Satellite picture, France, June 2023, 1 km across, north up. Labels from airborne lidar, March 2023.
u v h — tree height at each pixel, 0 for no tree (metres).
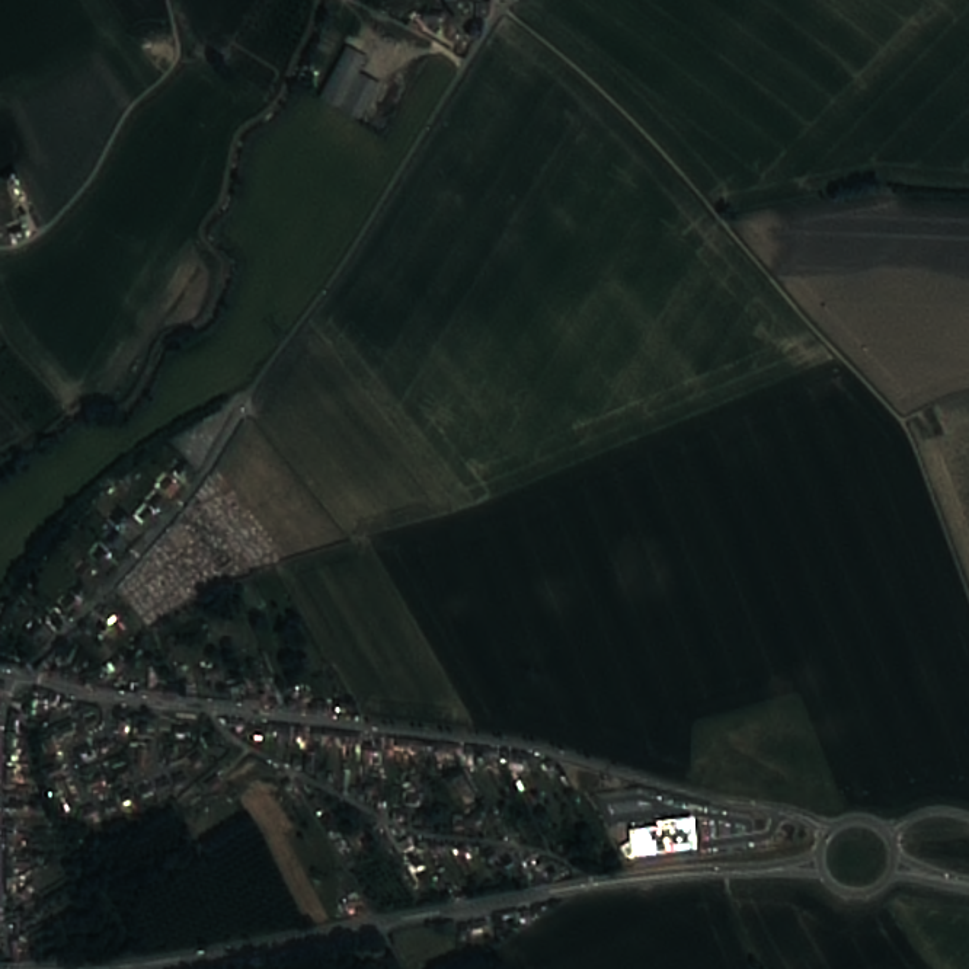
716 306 0
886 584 0
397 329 0
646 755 0
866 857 0
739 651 0
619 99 0
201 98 0
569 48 0
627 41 0
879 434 0
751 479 0
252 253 0
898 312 0
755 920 0
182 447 0
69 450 0
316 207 0
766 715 0
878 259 0
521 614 0
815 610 0
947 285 0
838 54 0
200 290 0
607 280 0
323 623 0
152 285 0
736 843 0
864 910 0
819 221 0
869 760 0
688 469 0
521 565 0
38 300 0
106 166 0
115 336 0
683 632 0
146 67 0
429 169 0
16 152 0
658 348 0
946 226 0
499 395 0
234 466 0
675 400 0
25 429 0
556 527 0
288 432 0
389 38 0
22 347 0
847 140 0
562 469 0
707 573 0
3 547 0
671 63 0
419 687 0
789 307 0
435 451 0
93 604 0
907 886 0
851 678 0
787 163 0
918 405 0
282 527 0
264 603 11
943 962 0
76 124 0
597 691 0
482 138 0
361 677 0
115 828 10
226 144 0
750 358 0
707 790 0
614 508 0
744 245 0
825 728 0
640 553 0
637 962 0
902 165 0
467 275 0
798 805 0
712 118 0
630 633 0
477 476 0
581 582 0
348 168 0
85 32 0
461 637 0
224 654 10
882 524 0
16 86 0
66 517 7
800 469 0
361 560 0
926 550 0
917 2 0
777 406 0
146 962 0
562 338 0
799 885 0
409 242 0
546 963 0
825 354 0
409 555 0
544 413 0
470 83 0
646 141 0
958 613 0
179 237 0
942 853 0
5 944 0
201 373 0
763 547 0
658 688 0
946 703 0
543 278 0
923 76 0
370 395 0
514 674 0
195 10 0
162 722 0
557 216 0
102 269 0
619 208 0
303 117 0
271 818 0
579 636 0
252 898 21
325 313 0
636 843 0
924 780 0
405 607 0
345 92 0
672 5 0
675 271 0
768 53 0
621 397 0
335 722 0
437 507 0
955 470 0
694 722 0
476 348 0
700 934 0
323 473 0
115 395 0
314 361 0
